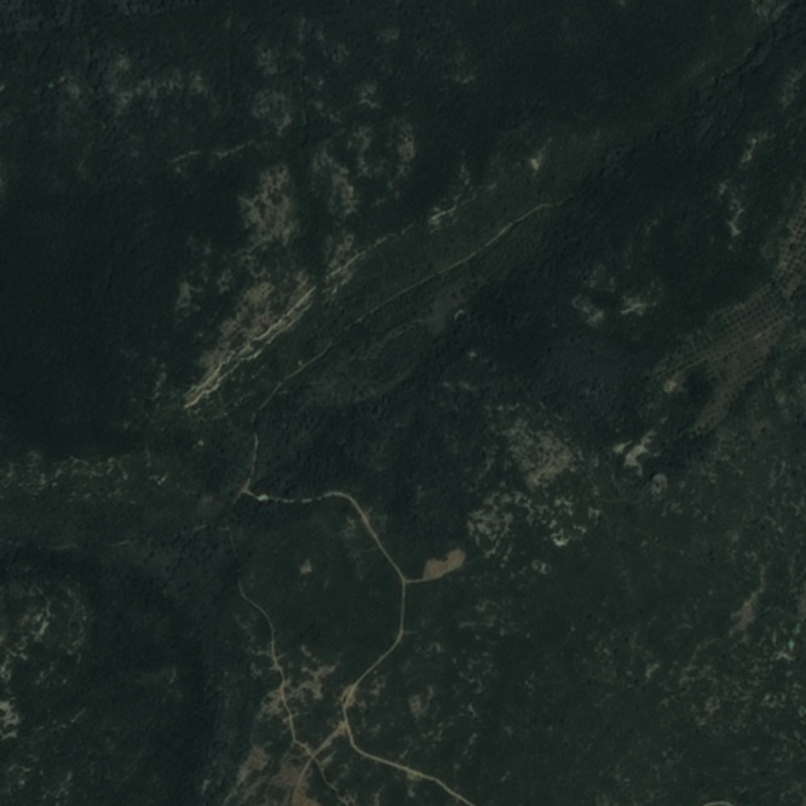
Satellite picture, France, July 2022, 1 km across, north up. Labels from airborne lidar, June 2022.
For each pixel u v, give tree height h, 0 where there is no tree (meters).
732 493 0
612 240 7
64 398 6
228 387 7
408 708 0
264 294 0
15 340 7
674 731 0
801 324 7
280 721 0
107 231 8
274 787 0
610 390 11
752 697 0
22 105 7
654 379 6
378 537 0
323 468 8
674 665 0
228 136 6
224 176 8
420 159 6
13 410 7
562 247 7
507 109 6
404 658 0
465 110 5
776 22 7
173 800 6
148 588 9
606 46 7
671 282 5
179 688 5
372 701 0
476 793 0
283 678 0
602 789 0
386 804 0
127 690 6
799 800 0
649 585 0
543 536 0
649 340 7
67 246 8
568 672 0
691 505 0
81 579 8
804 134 6
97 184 6
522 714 0
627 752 0
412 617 0
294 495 10
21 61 8
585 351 6
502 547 0
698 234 6
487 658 0
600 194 9
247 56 6
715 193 6
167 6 16
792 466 0
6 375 8
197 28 7
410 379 5
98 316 6
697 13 6
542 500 0
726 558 0
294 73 7
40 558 9
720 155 5
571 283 6
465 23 6
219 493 10
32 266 7
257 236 0
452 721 0
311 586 0
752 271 7
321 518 0
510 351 8
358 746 0
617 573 0
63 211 8
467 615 0
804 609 0
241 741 6
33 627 0
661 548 0
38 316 9
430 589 0
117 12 9
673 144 7
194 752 9
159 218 6
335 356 7
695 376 6
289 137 8
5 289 10
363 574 0
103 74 7
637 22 5
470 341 6
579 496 0
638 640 0
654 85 6
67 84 8
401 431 7
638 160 7
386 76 7
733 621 0
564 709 0
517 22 6
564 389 7
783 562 0
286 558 0
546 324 7
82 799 5
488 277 8
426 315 7
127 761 6
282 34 6
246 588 0
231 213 7
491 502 0
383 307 10
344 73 6
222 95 11
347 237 0
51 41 10
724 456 0
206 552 11
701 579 0
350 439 9
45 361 7
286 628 0
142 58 7
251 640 0
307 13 6
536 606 0
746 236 7
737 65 7
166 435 8
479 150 6
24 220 6
